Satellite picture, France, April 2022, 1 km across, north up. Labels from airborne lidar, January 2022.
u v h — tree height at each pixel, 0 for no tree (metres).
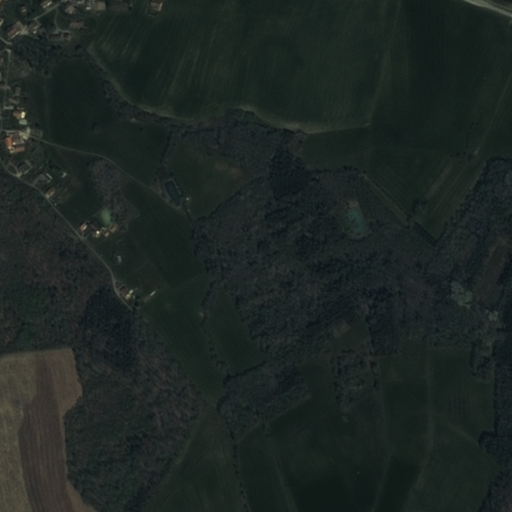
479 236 22
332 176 16
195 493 0
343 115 0
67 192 0
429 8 0
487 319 21
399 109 0
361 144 0
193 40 0
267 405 18
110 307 21
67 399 0
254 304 19
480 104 0
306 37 0
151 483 21
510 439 23
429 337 19
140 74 0
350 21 0
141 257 0
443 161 0
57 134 0
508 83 0
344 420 0
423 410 0
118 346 19
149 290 0
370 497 0
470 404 0
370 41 0
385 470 0
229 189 0
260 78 0
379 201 9
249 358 0
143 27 0
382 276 18
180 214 0
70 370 0
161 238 0
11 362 0
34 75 0
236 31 0
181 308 0
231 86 0
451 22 0
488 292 0
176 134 17
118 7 0
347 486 0
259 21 0
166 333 0
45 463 0
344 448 0
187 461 0
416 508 0
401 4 0
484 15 0
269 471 0
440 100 0
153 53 0
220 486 0
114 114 0
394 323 25
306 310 19
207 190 0
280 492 0
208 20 0
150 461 28
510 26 0
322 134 0
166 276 0
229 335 0
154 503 0
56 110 0
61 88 0
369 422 0
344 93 0
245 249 18
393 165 0
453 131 0
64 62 0
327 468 0
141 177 0
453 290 25
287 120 0
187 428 27
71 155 0
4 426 0
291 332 22
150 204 0
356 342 0
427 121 0
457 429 0
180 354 0
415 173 0
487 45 0
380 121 0
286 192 23
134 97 0
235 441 19
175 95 0
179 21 0
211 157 16
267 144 24
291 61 0
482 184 11
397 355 13
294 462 0
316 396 0
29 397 0
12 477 0
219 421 0
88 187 0
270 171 20
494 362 17
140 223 0
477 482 0
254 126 21
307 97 0
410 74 0
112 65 0
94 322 24
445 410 0
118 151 0
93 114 0
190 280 0
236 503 0
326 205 18
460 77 0
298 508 0
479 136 0
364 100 0
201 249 19
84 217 0
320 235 24
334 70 0
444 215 0
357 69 0
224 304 0
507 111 0
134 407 11
